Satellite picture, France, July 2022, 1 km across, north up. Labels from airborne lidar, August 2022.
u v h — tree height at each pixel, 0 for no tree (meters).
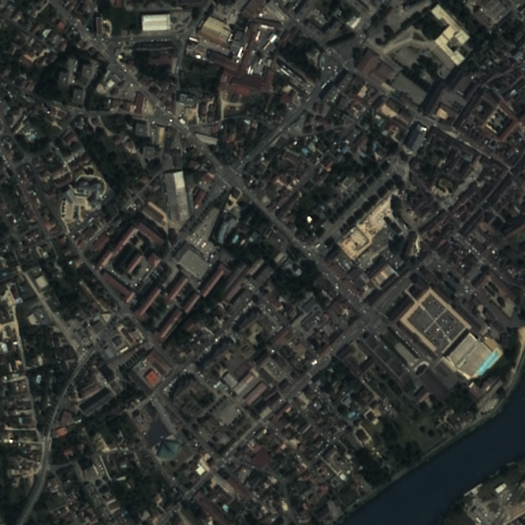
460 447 0
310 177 0
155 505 7
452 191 7
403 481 0
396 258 0
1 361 0
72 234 0
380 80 0
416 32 0
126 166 9
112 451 0
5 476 9
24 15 10
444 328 0
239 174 0
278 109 7
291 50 18
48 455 0
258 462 0
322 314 0
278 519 0
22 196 0
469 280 0
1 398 8
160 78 25
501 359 0
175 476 9
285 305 15
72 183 7
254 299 7
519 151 0
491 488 0
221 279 18
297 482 8
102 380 0
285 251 0
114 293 0
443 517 19
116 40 0
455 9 12
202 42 0
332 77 0
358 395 9
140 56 19
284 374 0
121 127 6
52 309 0
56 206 0
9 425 8
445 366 0
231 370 0
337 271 0
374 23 15
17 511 18
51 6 5
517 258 0
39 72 8
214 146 7
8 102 15
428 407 19
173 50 8
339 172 17
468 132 0
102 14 20
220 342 0
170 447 0
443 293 0
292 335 0
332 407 0
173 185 0
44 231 0
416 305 0
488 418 0
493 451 0
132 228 0
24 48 6
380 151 0
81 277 6
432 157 7
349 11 10
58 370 10
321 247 0
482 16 0
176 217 0
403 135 6
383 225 0
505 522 0
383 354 0
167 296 0
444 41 0
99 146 16
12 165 0
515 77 0
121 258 17
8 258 16
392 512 0
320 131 7
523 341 0
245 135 7
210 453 0
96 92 0
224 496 0
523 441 0
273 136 0
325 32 0
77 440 7
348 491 8
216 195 0
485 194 0
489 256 0
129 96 0
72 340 0
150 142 12
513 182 0
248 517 18
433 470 0
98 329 0
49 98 15
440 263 0
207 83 6
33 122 18
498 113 7
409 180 0
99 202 0
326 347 0
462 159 10
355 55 13
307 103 0
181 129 0
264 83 0
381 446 20
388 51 0
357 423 9
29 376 13
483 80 0
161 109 0
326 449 0
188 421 6
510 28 7
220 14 0
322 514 0
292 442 0
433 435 11
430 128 0
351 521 0
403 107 6
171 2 7
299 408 0
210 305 8
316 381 0
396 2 0
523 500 0
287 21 0
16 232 0
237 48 0
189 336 7
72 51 13
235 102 0
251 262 13
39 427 12
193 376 6
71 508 7
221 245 12
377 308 0
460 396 6
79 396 8
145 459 6
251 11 0
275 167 7
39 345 7
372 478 16
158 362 0
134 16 0
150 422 0
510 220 19
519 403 0
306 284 24
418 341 0
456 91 0
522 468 0
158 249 0
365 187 11
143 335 0
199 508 6
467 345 0
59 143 14
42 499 10
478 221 0
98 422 6
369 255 0
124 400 12
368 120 8
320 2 0
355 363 0
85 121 8
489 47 9
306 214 7
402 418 0
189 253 0
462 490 0
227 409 0
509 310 0
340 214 13
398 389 16
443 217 0
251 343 0
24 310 0
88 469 0
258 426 0
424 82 9
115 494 8
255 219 12
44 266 14
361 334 0
